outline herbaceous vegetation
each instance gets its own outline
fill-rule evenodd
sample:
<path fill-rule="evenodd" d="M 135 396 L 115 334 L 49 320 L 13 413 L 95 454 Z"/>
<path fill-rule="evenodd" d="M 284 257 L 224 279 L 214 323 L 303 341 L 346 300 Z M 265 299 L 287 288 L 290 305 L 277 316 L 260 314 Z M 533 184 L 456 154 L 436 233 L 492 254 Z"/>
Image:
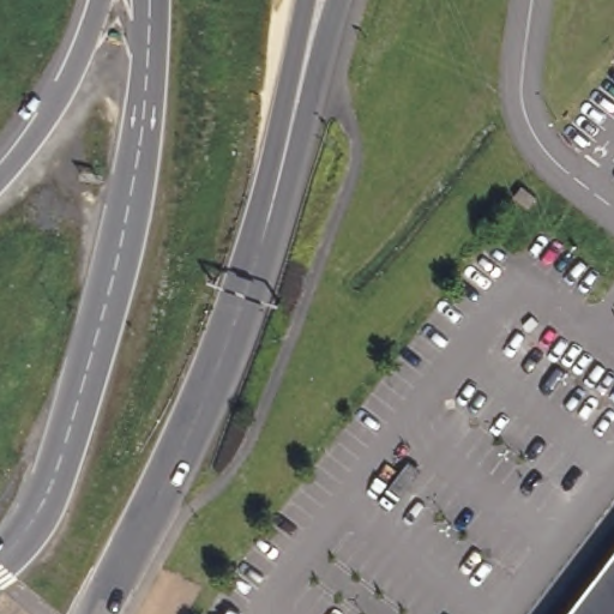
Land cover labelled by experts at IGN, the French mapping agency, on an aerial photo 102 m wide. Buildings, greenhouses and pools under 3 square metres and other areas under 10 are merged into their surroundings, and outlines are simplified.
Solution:
<path fill-rule="evenodd" d="M 273 319 L 264 333 L 264 348 L 257 355 L 254 374 L 247 389 L 247 403 L 254 408 L 259 405 L 269 377 L 273 372 L 281 341 L 285 336 L 285 329 L 290 324 L 293 309 L 302 290 L 305 266 L 309 264 L 309 257 L 319 237 L 319 228 L 329 213 L 333 192 L 338 189 L 338 177 L 345 168 L 348 142 L 341 132 L 341 125 L 333 122 L 333 118 L 324 118 L 319 122 L 321 127 L 317 134 L 312 168 L 300 199 L 293 235 L 285 249 L 278 285 L 271 290 L 271 300 L 276 302 Z"/>
<path fill-rule="evenodd" d="M 22 199 L 14 199 L 5 211 L 0 211 L 0 489 L 5 472 L 14 470 L 14 465 L 22 461 L 26 439 L 50 401 L 70 343 L 77 302 L 82 295 L 82 197 L 84 192 L 91 192 L 96 197 L 101 189 L 94 182 L 82 182 L 79 175 L 106 175 L 110 170 L 110 122 L 103 118 L 86 115 L 77 134 L 67 139 L 62 146 L 58 146 L 46 161 L 46 177 L 29 187 L 29 192 Z"/>
<path fill-rule="evenodd" d="M 130 496 L 134 480 L 158 437 L 156 420 L 165 417 L 177 393 L 180 379 L 189 365 L 189 357 L 197 348 L 206 314 L 211 312 L 213 290 L 206 285 L 206 281 L 216 281 L 223 273 L 240 223 L 240 213 L 247 199 L 254 163 L 261 86 L 266 74 L 271 0 L 173 0 L 173 58 L 165 151 L 156 213 L 137 297 L 125 326 L 118 365 L 101 413 L 96 439 L 89 453 L 89 463 L 70 511 L 67 530 L 53 547 L 50 559 L 36 561 L 22 576 L 22 580 L 29 588 L 34 588 L 58 612 L 67 612 L 86 571 L 94 566 L 115 518 L 120 516 L 125 499 Z"/>
<path fill-rule="evenodd" d="M 609 70 L 614 70 L 614 0 L 554 0 L 542 72 L 542 91 L 552 125 L 556 130 L 573 125 L 580 113 L 580 106 L 590 101 L 590 94 L 604 82 Z"/>
<path fill-rule="evenodd" d="M 26 108 L 22 98 L 26 94 L 34 96 L 36 82 L 53 62 L 53 55 L 58 53 L 65 38 L 77 0 L 0 0 L 0 132 L 17 113 Z"/>
<path fill-rule="evenodd" d="M 223 602 L 225 595 L 233 595 L 237 590 L 235 576 L 209 578 L 201 566 L 201 547 L 218 547 L 225 552 L 230 561 L 235 561 L 245 559 L 257 542 L 269 542 L 276 535 L 276 530 L 271 525 L 264 525 L 254 528 L 247 523 L 245 499 L 249 494 L 264 494 L 269 504 L 281 511 L 300 484 L 314 480 L 314 463 L 331 449 L 338 434 L 353 420 L 353 415 L 377 389 L 377 384 L 391 372 L 379 360 L 389 355 L 391 341 L 403 343 L 405 348 L 410 348 L 413 338 L 429 321 L 437 305 L 444 302 L 444 293 L 432 281 L 432 261 L 449 257 L 463 271 L 472 261 L 480 261 L 477 257 L 482 252 L 518 254 L 530 249 L 537 242 L 537 237 L 544 235 L 547 240 L 561 242 L 564 252 L 580 257 L 580 264 L 590 269 L 592 276 L 597 276 L 592 290 L 588 293 L 588 302 L 600 302 L 614 285 L 614 235 L 600 228 L 583 211 L 578 211 L 559 192 L 554 192 L 535 173 L 535 168 L 525 163 L 518 146 L 511 139 L 501 110 L 499 86 L 508 0 L 367 0 L 348 65 L 350 103 L 362 137 L 362 170 L 350 206 L 343 216 L 324 276 L 317 285 L 288 372 L 283 377 L 278 396 L 271 405 L 266 425 L 249 458 L 242 463 L 235 480 L 213 501 L 201 506 L 187 520 L 180 540 L 175 542 L 165 561 L 165 571 L 177 573 L 182 576 L 182 580 L 199 585 L 197 600 L 192 602 L 194 609 L 209 612 L 218 602 Z M 482 221 L 477 228 L 470 228 L 470 201 L 484 197 L 489 187 L 496 185 L 504 187 L 513 201 L 504 204 L 504 211 L 494 221 Z M 535 204 L 530 209 L 516 204 L 518 192 L 532 194 Z"/>

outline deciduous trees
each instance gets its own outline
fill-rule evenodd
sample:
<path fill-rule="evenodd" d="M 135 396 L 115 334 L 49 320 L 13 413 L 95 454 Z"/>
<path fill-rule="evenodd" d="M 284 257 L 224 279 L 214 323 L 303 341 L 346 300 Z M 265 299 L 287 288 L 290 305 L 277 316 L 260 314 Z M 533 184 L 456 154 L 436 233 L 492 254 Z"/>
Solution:
<path fill-rule="evenodd" d="M 269 504 L 264 494 L 249 494 L 245 499 L 247 523 L 254 528 L 264 525 L 269 516 Z"/>
<path fill-rule="evenodd" d="M 482 221 L 494 221 L 504 211 L 504 204 L 513 201 L 504 187 L 496 185 L 489 187 L 484 197 L 470 201 L 470 228 L 477 228 Z"/>
<path fill-rule="evenodd" d="M 209 578 L 235 576 L 235 561 L 230 561 L 225 552 L 218 547 L 201 547 L 201 566 Z"/>
<path fill-rule="evenodd" d="M 449 257 L 432 261 L 432 281 L 444 293 L 444 302 L 458 302 L 465 297 L 468 281 L 463 271 Z"/>

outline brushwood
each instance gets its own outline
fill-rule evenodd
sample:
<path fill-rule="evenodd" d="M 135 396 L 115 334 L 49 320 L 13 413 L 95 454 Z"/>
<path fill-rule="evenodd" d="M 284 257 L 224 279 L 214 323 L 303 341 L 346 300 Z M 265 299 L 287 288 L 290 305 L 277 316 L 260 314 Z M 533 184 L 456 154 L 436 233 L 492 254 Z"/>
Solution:
<path fill-rule="evenodd" d="M 398 369 L 405 348 L 403 343 L 391 341 L 389 355 L 379 360 L 391 372 Z"/>
<path fill-rule="evenodd" d="M 295 523 L 285 518 L 281 511 L 269 504 L 269 516 L 264 525 L 271 525 L 276 530 L 295 530 Z"/>

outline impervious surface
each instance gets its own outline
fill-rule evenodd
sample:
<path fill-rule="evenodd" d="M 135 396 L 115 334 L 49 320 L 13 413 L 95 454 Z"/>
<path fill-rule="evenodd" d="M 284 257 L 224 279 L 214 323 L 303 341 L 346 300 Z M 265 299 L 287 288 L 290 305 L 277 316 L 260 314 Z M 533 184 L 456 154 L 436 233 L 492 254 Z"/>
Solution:
<path fill-rule="evenodd" d="M 398 369 L 391 372 L 377 384 L 377 389 L 353 415 L 353 420 L 338 434 L 331 449 L 314 463 L 314 480 L 300 484 L 281 511 L 285 518 L 295 523 L 295 530 L 276 530 L 276 535 L 269 542 L 257 542 L 245 559 L 235 561 L 235 576 L 237 590 L 233 595 L 225 595 L 223 602 L 218 602 L 209 612 L 194 609 L 192 602 L 197 600 L 199 585 L 182 580 L 182 576 L 177 573 L 165 571 L 165 561 L 175 542 L 180 540 L 187 520 L 201 506 L 213 501 L 235 480 L 242 463 L 249 458 L 266 425 L 271 405 L 278 396 L 283 377 L 288 372 L 317 285 L 324 276 L 343 216 L 350 206 L 362 170 L 362 137 L 350 103 L 348 65 L 367 0 L 271 0 L 266 74 L 261 86 L 254 163 L 247 199 L 240 213 L 240 223 L 223 273 L 216 281 L 206 281 L 206 285 L 213 290 L 211 312 L 206 314 L 197 348 L 189 357 L 189 365 L 180 379 L 177 393 L 165 417 L 156 420 L 158 437 L 134 480 L 130 496 L 125 499 L 120 516 L 115 518 L 94 566 L 86 571 L 67 612 L 58 612 L 34 588 L 29 588 L 22 580 L 22 576 L 36 561 L 50 559 L 53 547 L 67 530 L 70 511 L 89 463 L 89 453 L 96 439 L 101 413 L 118 365 L 125 326 L 137 297 L 156 213 L 165 151 L 173 58 L 173 0 L 77 0 L 65 38 L 58 53 L 53 55 L 53 62 L 36 82 L 34 96 L 26 94 L 22 98 L 26 108 L 17 113 L 0 132 L 0 211 L 5 211 L 14 199 L 22 199 L 29 192 L 29 187 L 46 177 L 46 161 L 58 146 L 62 146 L 67 139 L 77 134 L 86 115 L 103 118 L 110 122 L 110 170 L 106 175 L 79 175 L 82 182 L 94 182 L 101 189 L 96 197 L 91 192 L 84 192 L 82 197 L 82 295 L 77 302 L 70 343 L 50 401 L 26 439 L 22 461 L 14 465 L 14 470 L 5 472 L 0 489 L 0 614 L 566 614 L 614 552 L 614 285 L 600 302 L 588 302 L 588 293 L 592 290 L 597 276 L 592 276 L 590 269 L 580 264 L 580 257 L 564 252 L 561 242 L 547 240 L 544 235 L 537 237 L 537 242 L 530 249 L 518 254 L 482 252 L 477 257 L 480 261 L 472 261 L 463 271 L 468 281 L 465 297 L 458 302 L 444 302 L 437 305 L 429 321 L 413 338 L 410 348 L 405 348 Z M 312 168 L 317 134 L 321 127 L 319 122 L 324 118 L 333 118 L 333 122 L 341 125 L 341 132 L 348 142 L 345 168 L 338 177 L 338 189 L 333 192 L 329 213 L 319 228 L 319 237 L 309 257 L 309 264 L 305 266 L 302 290 L 293 309 L 290 324 L 285 329 L 285 336 L 281 341 L 273 372 L 269 377 L 259 405 L 254 408 L 247 403 L 247 389 L 254 374 L 257 355 L 264 348 L 264 333 L 273 319 L 276 302 L 271 300 L 271 290 L 278 285 L 285 249 L 293 235 L 300 199 Z"/>
<path fill-rule="evenodd" d="M 511 139 L 518 146 L 525 163 L 535 168 L 535 173 L 554 192 L 559 192 L 578 211 L 583 211 L 600 228 L 614 235 L 614 70 L 609 70 L 604 82 L 590 94 L 590 101 L 580 106 L 580 113 L 573 125 L 556 130 L 552 125 L 542 91 L 542 72 L 554 0 L 508 0 L 499 86 L 501 110 Z"/>

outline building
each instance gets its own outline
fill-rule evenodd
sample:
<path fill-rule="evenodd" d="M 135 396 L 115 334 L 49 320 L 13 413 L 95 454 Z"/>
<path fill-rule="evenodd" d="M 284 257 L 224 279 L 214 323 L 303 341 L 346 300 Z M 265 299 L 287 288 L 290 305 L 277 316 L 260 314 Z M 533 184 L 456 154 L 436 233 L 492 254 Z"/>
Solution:
<path fill-rule="evenodd" d="M 566 614 L 614 614 L 614 552 Z"/>
<path fill-rule="evenodd" d="M 518 192 L 516 204 L 530 209 L 535 204 L 532 194 Z"/>

